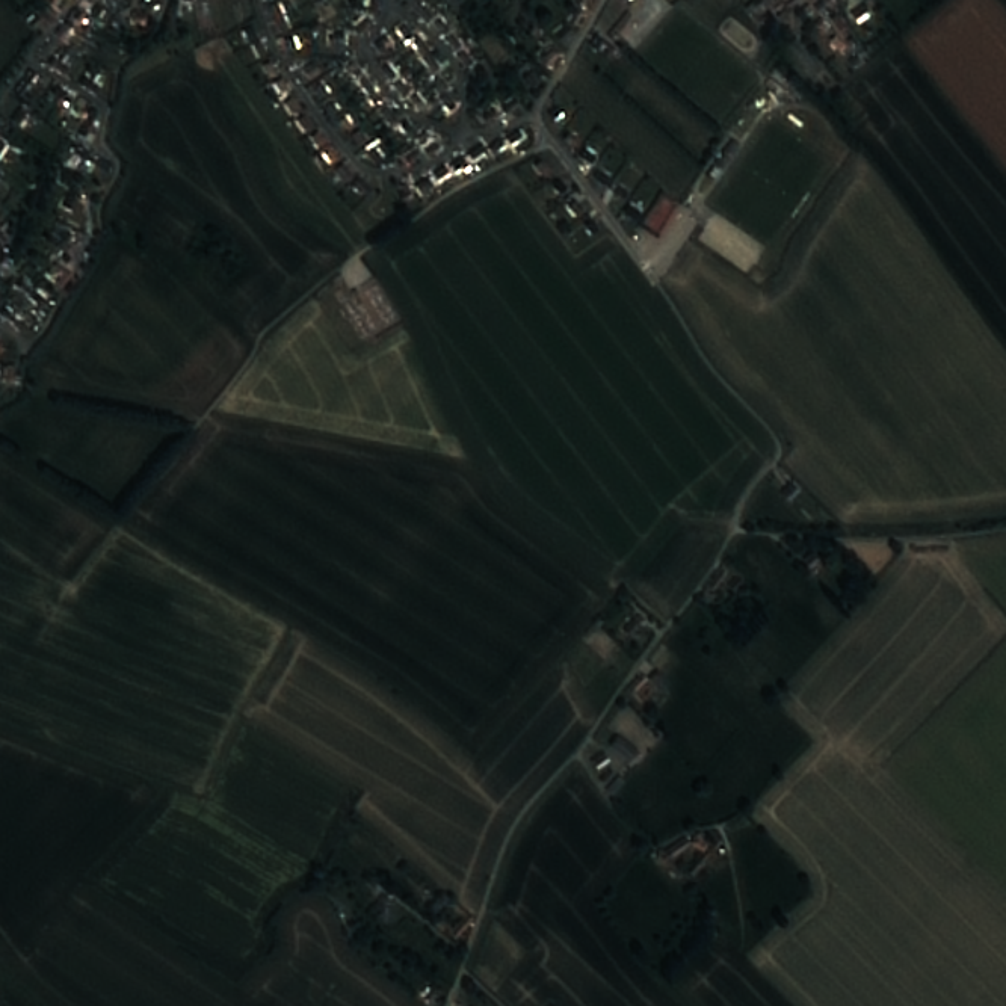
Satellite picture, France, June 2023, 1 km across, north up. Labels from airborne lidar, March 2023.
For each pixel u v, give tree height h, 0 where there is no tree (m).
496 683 0
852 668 0
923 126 0
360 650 0
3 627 0
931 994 0
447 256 0
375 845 0
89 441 0
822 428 0
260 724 0
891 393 0
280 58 0
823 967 0
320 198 0
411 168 0
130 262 0
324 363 0
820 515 0
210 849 0
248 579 0
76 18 0
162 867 0
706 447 0
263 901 0
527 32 7
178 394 0
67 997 0
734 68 0
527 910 0
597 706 0
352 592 0
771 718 0
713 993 0
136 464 0
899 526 0
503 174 0
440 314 0
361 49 0
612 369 0
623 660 0
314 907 0
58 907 0
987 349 0
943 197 0
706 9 0
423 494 0
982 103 0
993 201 0
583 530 0
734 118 0
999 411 0
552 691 0
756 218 0
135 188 0
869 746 0
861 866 0
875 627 0
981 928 0
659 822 0
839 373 0
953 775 0
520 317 0
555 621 0
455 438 0
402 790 0
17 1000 0
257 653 0
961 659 0
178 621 0
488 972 0
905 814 0
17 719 0
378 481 0
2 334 0
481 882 0
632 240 0
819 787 0
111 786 0
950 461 0
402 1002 0
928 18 0
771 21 16
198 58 0
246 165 0
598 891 0
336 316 0
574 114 0
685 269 0
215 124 0
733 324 0
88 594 0
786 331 0
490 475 0
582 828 0
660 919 0
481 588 0
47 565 0
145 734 0
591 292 0
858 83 0
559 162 0
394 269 0
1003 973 0
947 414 0
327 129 0
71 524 0
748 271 0
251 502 0
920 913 0
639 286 0
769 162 0
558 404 0
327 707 0
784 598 0
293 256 0
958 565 0
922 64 0
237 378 0
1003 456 0
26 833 0
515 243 0
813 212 0
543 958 0
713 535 0
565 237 0
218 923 0
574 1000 0
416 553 0
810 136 0
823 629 0
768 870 0
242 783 0
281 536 0
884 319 0
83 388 0
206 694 0
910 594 0
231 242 10
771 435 0
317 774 0
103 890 0
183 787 0
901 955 0
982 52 0
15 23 0
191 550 0
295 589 0
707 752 0
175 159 0
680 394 0
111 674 0
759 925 9
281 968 0
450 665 0
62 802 0
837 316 0
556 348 0
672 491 0
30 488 0
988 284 0
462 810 0
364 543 0
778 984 0
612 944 0
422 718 0
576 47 0
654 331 0
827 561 15
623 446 0
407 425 0
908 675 0
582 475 0
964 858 0
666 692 0
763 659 0
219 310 0
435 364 0
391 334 0
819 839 0
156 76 0
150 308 0
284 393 0
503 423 0
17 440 0
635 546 0
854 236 0
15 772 0
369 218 0
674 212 0
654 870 0
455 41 0
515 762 0
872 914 0
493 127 0
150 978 0
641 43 0
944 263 0
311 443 0
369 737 0
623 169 0
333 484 0
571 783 0
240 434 0
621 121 0
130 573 0
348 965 0
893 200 0
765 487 0
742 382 0
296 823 0
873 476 0
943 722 0
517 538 0
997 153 0
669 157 0
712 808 0
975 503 0
